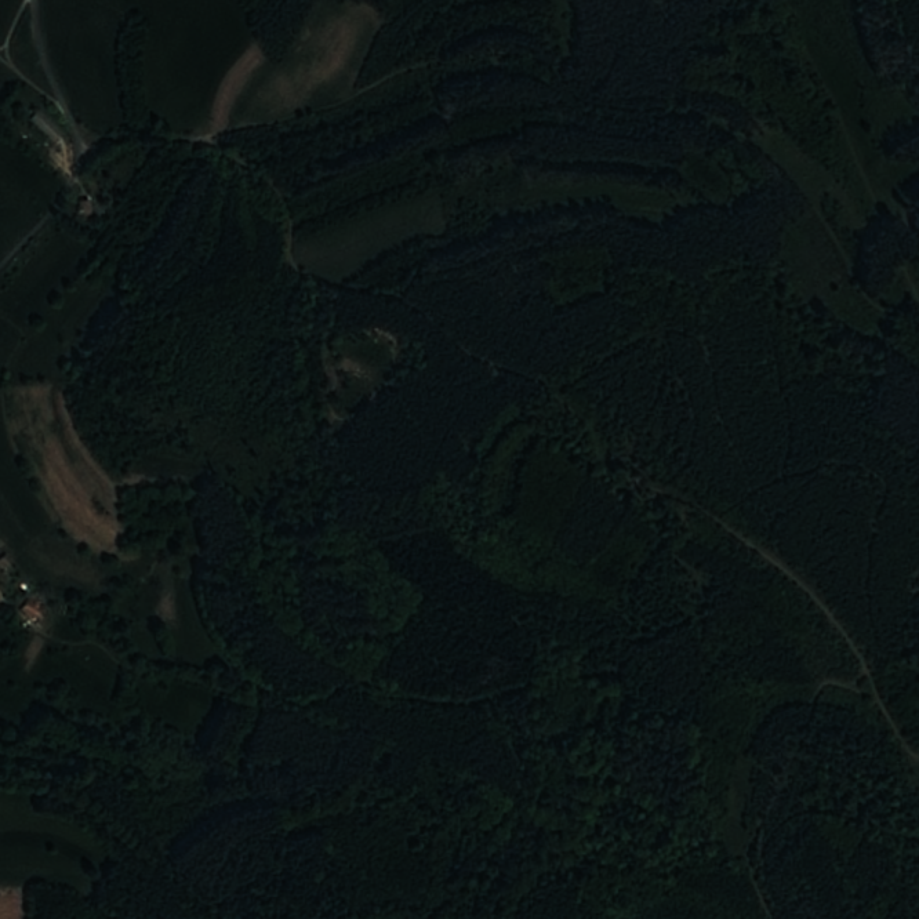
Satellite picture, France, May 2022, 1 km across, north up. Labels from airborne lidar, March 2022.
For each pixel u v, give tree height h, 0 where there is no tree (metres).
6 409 0
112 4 0
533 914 19
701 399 10
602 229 20
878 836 15
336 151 17
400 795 22
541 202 0
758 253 24
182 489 20
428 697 10
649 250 20
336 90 0
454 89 24
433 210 0
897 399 27
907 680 9
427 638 16
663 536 16
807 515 10
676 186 25
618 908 13
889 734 13
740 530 8
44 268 0
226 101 0
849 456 10
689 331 11
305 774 31
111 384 21
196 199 13
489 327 19
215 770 24
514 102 24
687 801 26
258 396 7
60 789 25
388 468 17
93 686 0
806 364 9
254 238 11
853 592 11
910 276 0
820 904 13
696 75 31
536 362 17
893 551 11
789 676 12
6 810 0
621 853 12
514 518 13
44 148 0
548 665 21
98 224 13
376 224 0
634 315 13
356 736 28
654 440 12
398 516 21
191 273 16
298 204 11
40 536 0
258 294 11
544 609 16
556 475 14
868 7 27
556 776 13
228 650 23
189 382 6
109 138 6
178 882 20
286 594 19
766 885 15
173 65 0
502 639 15
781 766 18
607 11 27
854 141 0
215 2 0
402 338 18
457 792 21
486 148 25
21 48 0
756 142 0
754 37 14
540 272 18
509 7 10
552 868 23
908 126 0
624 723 16
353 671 24
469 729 18
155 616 0
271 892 12
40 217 0
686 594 13
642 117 17
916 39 13
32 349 0
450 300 17
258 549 23
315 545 26
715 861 8
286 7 17
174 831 6
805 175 0
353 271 0
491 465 26
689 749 20
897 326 14
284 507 9
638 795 23
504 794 23
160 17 0
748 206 26
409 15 7
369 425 18
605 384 11
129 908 18
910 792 11
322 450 23
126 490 12
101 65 0
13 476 0
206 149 13
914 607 12
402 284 13
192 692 0
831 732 20
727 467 10
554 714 13
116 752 30
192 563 0
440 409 18
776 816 8
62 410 0
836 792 11
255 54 0
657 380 12
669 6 27
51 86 0
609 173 27
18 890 0
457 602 15
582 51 23
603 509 12
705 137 24
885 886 12
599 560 7
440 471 18
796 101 12
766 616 10
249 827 32
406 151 25
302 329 21
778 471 10
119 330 24
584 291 6
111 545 0
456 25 14
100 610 9
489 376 15
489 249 25
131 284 15
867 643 9
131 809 11
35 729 24
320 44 0
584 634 18
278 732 29
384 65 6
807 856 14
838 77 0
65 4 0
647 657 15
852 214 0
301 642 25
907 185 0
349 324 20
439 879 11
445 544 12
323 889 12
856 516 11
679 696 15
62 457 0
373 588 25
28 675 0
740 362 8
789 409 11
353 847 8
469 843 20
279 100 0
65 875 0
